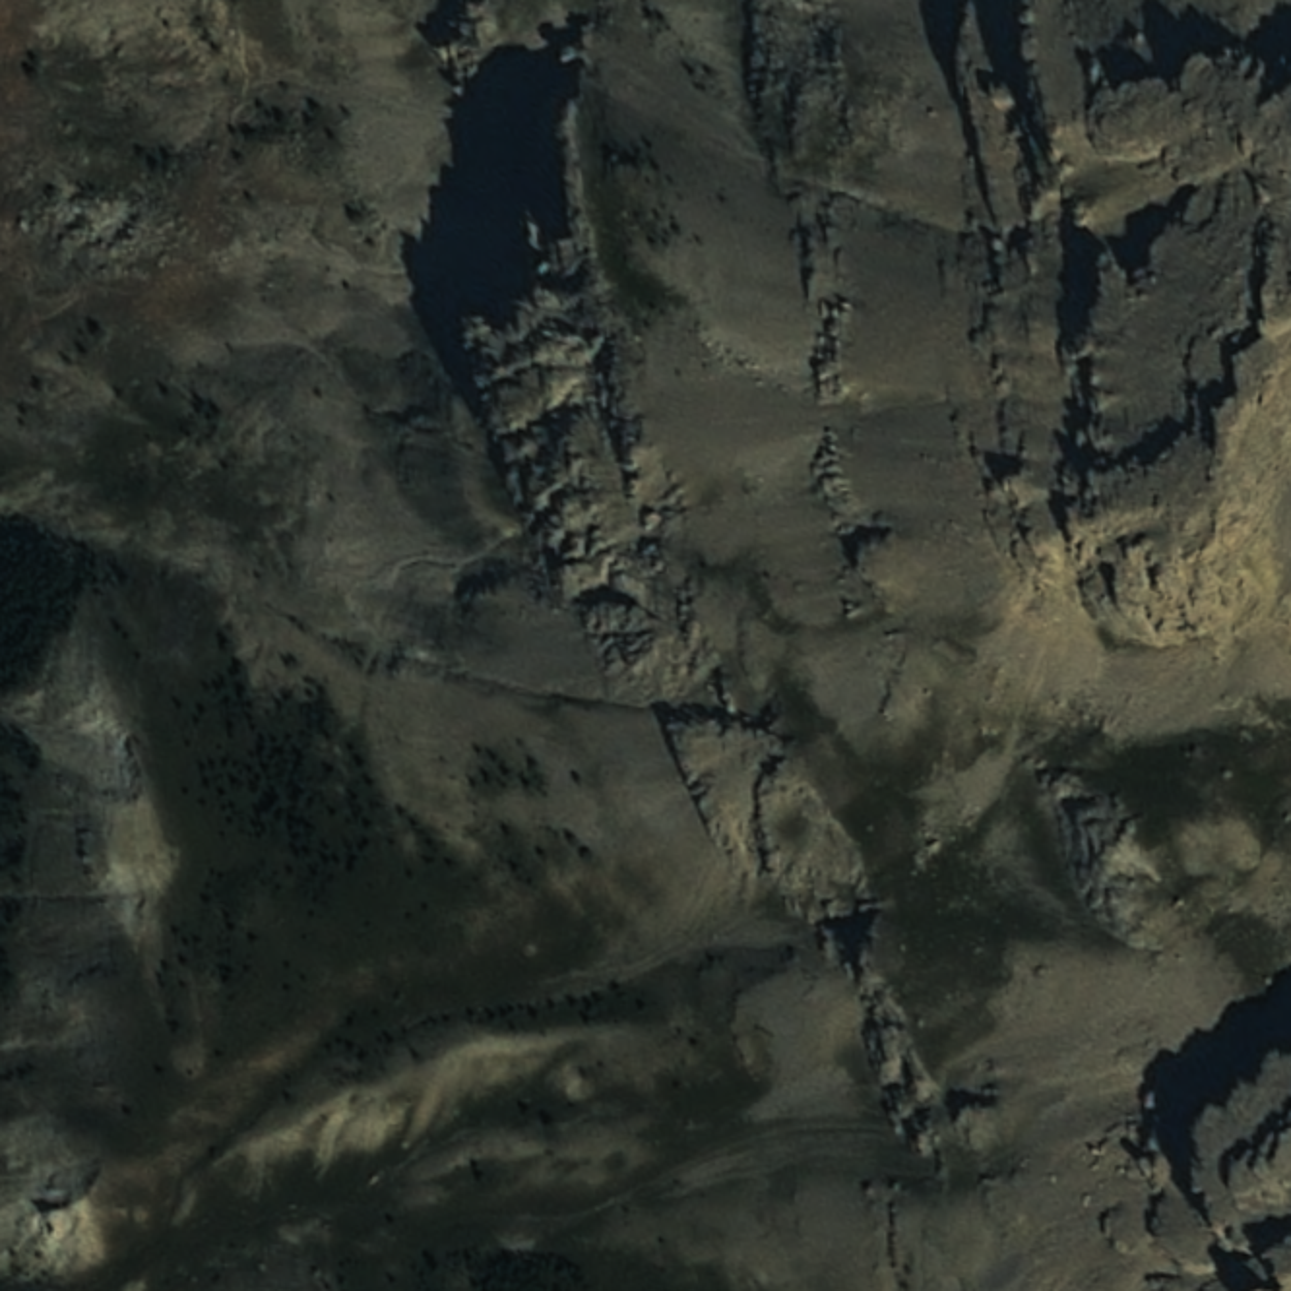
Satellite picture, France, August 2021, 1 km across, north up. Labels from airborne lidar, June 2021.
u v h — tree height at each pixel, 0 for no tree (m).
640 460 0
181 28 0
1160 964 0
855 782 0
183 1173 0
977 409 0
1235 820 0
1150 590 0
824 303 0
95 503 0
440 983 0
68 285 0
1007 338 0
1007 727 0
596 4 0
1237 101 0
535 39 0
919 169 0
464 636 0
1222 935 0
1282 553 0
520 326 0
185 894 0
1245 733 0
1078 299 0
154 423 0
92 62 0
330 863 11
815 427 0
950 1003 0
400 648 0
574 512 0
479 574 0
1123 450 0
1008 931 0
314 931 0
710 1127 0
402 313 0
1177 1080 0
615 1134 0
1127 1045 0
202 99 0
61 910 0
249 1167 0
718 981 0
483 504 0
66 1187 0
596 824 0
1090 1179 0
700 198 0
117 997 0
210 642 0
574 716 0
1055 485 0
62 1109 0
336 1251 0
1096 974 0
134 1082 0
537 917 0
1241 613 0
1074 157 0
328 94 0
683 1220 0
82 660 0
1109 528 0
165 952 0
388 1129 0
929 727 0
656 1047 0
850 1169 0
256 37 0
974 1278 0
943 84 0
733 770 0
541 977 0
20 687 9
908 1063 0
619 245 0
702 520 0
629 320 0
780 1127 0
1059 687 0
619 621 0
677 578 0
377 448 0
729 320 0
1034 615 0
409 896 0
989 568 0
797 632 0
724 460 0
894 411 0
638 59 0
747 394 0
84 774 0
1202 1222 0
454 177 0
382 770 0
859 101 0
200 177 0
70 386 0
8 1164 0
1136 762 0
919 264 0
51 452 0
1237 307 0
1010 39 0
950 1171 0
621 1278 0
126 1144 0
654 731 0
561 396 0
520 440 0
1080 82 0
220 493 0
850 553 0
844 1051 0
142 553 0
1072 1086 0
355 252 0
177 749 0
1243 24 0
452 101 0
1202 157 0
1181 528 0
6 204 0
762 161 0
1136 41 0
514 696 0
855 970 0
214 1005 0
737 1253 0
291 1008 0
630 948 0
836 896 0
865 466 0
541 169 0
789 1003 0
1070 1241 0
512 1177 0
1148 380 0
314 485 0
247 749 0
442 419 0
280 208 0
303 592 0
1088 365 0
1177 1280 0
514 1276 6
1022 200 0
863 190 0
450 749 0
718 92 0
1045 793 0
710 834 0
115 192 0
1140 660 0
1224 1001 0
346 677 0
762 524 0
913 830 0
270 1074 0
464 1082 0
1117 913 0
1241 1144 0
